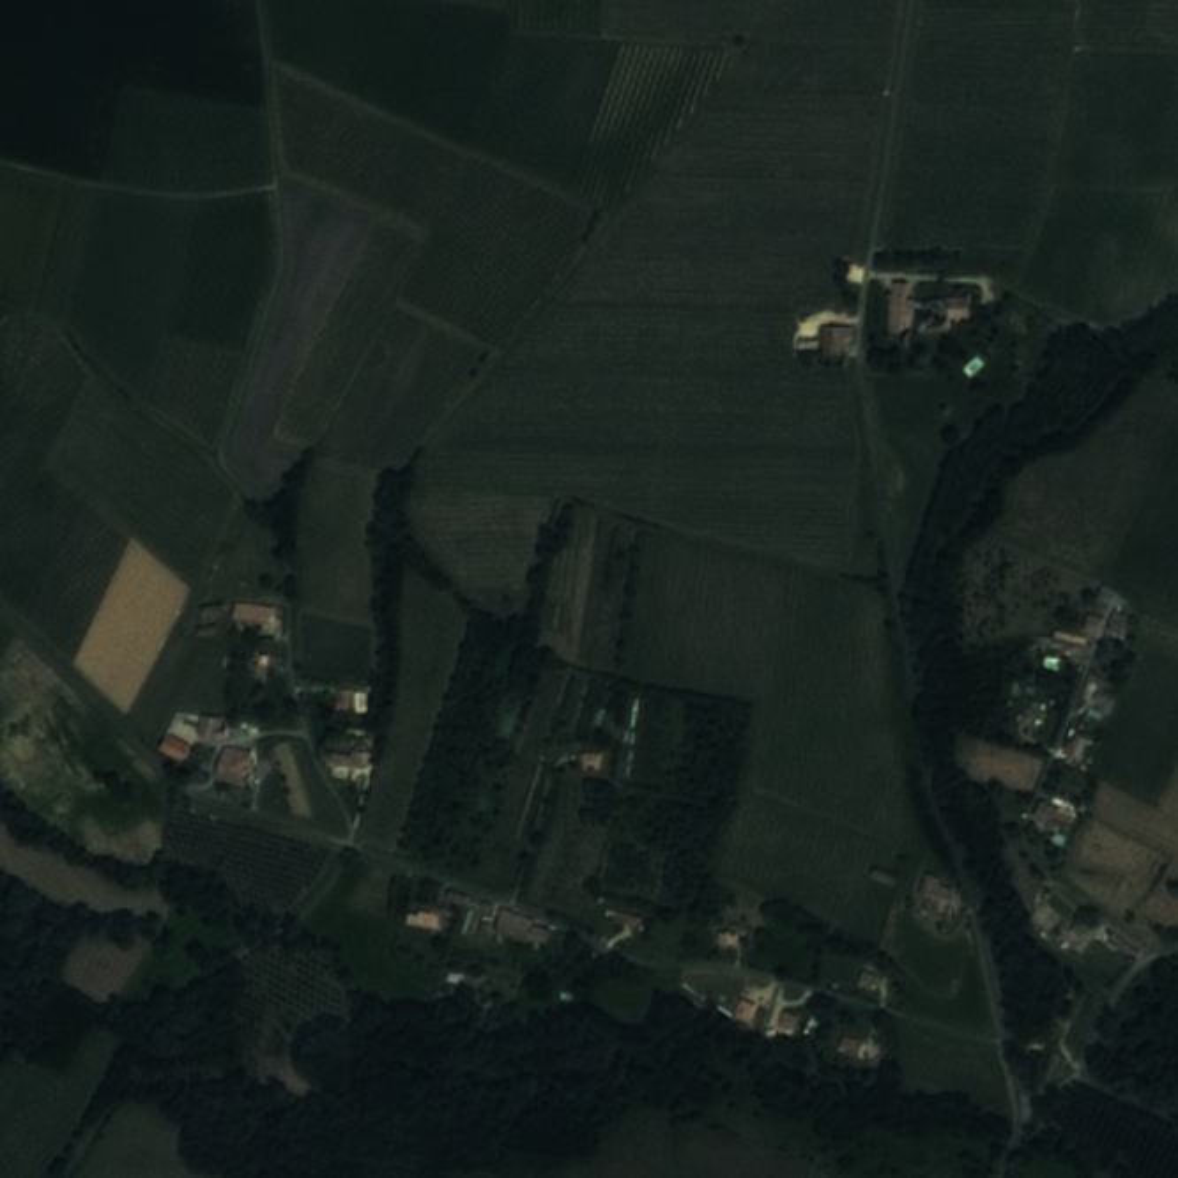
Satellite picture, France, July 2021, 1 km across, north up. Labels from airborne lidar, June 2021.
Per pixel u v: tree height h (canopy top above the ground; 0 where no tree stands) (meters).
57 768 0
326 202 0
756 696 0
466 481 0
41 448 0
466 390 0
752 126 0
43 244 0
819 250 0
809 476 0
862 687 0
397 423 0
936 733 21
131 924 26
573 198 0
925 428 0
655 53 0
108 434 0
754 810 0
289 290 0
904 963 0
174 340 0
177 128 0
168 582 0
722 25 0
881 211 0
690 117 0
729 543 0
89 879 0
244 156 0
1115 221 0
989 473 16
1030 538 0
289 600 8
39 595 0
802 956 0
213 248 0
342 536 0
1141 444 0
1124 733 0
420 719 0
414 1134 21
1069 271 0
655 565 0
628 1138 0
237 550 0
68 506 0
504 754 10
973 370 0
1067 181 0
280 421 0
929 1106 23
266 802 0
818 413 0
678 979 0
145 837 0
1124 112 0
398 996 0
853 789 0
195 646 0
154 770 0
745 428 0
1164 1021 19
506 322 0
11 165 0
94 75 0
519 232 0
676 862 7
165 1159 0
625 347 0
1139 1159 21
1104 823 0
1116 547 0
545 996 13
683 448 0
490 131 0
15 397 0
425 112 0
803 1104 17
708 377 0
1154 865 0
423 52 0
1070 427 17
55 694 0
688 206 0
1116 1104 17
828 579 0
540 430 0
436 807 7
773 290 0
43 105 0
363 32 0
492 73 0
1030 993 30
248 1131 29
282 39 0
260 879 9
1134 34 0
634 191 0
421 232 0
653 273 0
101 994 0
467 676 10
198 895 20
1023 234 0
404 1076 23
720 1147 0
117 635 0
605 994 0
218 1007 20
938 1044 0
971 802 24
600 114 0
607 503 0
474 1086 30
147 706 0
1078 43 0
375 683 12
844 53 0
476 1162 21
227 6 0
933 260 18
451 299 0
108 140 0
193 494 0
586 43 0
